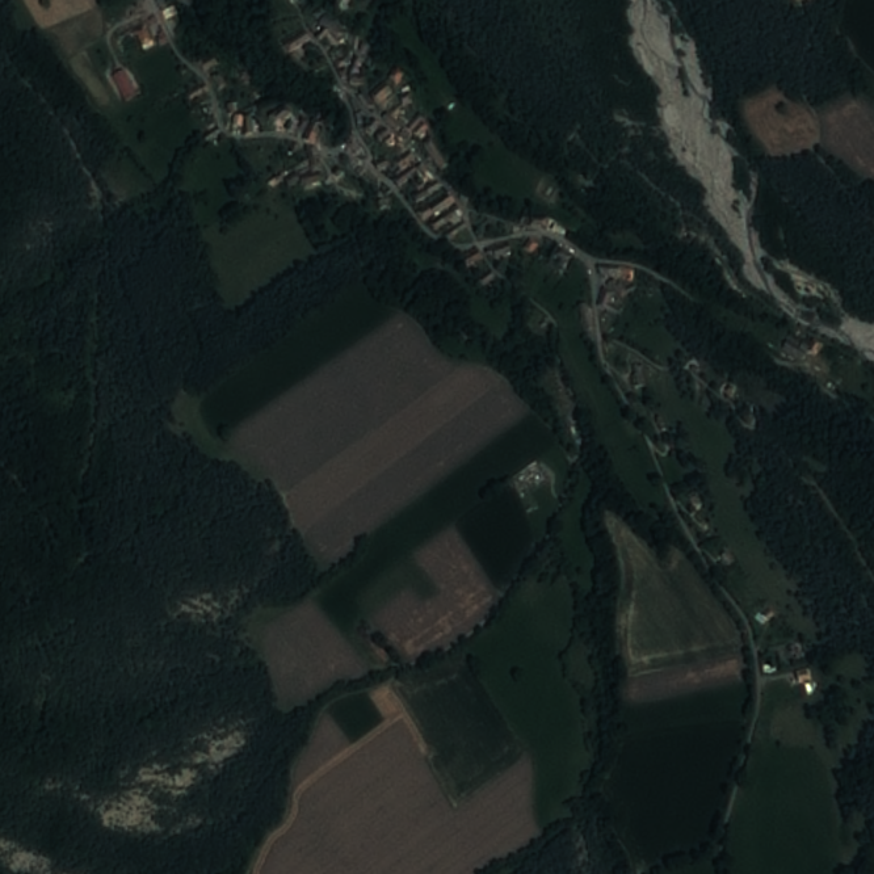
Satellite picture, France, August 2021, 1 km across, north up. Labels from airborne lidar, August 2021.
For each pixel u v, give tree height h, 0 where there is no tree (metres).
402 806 0
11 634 18
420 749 0
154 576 14
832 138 0
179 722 7
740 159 7
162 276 26
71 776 10
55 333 10
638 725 0
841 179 11
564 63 8
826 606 13
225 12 6
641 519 25
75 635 8
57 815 12
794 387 25
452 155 7
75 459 7
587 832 8
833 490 12
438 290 24
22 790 12
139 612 13
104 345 13
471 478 0
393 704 0
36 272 16
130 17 0
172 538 16
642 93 6
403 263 14
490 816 0
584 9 6
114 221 21
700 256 10
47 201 10
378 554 0
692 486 16
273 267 0
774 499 11
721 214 0
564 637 0
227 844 17
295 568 13
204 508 14
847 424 22
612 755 21
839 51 13
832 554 15
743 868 0
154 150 0
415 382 0
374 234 14
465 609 0
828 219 13
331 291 17
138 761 11
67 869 8
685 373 8
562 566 13
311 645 0
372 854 0
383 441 0
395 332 0
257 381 0
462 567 0
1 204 23
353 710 0
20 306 15
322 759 0
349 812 0
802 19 14
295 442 0
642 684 0
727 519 0
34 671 17
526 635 0
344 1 0
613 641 9
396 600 0
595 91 6
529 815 0
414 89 8
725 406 10
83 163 12
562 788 0
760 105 0
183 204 20
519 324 6
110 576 18
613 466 10
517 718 0
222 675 15
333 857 0
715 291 18
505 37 8
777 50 12
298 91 24
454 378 0
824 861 0
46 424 21
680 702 0
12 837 16
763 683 0
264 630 0
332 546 0
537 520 0
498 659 0
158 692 15
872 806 16
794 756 0
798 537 13
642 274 6
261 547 15
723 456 0
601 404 0
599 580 19
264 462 0
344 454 0
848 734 0
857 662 0
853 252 12
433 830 0
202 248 24
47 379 8
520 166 0
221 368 20
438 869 0
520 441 0
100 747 13
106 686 11
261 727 12
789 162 13
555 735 0
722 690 0
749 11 11
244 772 14
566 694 0
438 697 0
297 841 0
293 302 19
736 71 14
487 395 0
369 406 0
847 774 15
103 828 10
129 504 18
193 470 16
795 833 0
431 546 0
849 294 7
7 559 21
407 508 0
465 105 16
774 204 7
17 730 21
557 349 11
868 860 16
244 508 12
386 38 22
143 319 27
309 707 7
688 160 0
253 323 16
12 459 22
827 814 0
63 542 26
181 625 11
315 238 16
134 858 13
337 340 0
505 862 9
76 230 14
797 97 12
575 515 0
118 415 13
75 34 0
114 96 0
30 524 19
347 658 0
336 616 0
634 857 0
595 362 12
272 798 14
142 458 16
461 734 0
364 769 0
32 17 0
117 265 22
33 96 13
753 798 0
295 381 0
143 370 20
